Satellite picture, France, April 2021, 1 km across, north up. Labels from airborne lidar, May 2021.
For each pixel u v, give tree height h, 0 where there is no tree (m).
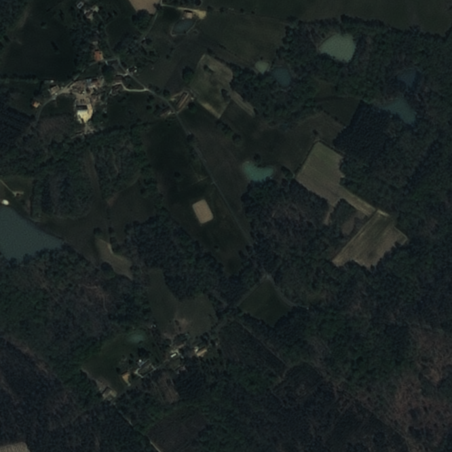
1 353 12
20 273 19
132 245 12
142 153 19
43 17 0
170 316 0
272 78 17
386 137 18
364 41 21
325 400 16
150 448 25
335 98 0
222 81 0
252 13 8
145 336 0
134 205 0
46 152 13
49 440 22
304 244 9
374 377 18
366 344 22
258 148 0
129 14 0
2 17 15
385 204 10
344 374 21
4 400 17
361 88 19
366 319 20
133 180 20
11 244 0
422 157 13
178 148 0
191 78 17
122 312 11
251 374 17
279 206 10
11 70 0
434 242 10
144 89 0
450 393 22
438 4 0
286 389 7
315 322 22
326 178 0
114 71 15
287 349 23
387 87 26
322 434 14
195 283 19
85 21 11
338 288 21
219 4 0
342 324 21
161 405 10
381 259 0
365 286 31
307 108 18
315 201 11
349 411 7
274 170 0
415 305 24
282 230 20
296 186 20
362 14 0
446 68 21
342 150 16
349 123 0
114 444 21
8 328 16
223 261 0
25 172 18
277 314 0
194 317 0
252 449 23
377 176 19
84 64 10
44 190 15
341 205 15
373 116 17
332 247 20
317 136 15
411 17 0
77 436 18
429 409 7
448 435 8
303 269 18
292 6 0
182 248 18
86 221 0
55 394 23
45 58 0
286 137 0
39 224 0
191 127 0
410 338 14
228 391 20
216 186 0
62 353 16
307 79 17
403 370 22
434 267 17
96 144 13
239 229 0
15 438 15
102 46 13
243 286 19
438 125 19
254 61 0
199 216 0
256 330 23
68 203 22
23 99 0
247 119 0
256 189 22
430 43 21
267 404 19
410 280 23
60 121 14
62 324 13
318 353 17
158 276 0
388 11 0
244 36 0
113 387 0
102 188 14
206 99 0
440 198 20
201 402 17
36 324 17
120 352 0
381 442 18
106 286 6
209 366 14
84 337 20
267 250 21
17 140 14
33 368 14
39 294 19
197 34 0
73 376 20
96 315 12
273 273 17
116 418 22
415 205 25
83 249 0
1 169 17
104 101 13
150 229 15
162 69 0
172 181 0
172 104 0
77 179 20
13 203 0
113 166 13
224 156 0
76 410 22
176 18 0
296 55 15
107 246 0
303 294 11
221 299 13
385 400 14
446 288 18
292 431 20
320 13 0
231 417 26
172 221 19
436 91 13
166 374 12
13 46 0
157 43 0
